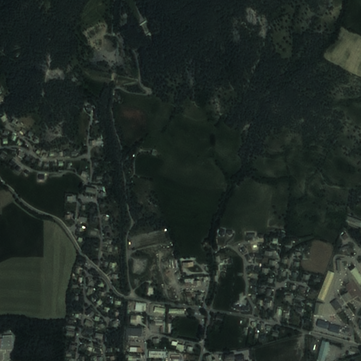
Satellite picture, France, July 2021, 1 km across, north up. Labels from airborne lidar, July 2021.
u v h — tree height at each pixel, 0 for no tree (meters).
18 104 7
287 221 12
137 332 0
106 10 7
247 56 11
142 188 0
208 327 8
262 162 0
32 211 9
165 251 0
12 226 0
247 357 0
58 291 0
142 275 0
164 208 0
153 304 0
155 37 18
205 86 8
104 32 0
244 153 14
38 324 27
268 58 12
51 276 0
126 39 23
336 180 0
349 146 0
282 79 12
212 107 0
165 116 0
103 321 8
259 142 9
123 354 10
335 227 0
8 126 0
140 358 0
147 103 0
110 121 8
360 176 0
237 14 10
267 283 8
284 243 16
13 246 0
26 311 0
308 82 11
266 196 0
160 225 8
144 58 20
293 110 9
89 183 8
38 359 13
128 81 0
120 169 9
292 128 6
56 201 0
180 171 0
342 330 0
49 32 8
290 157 0
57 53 10
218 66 13
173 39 12
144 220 9
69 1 12
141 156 0
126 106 0
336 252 0
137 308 0
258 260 0
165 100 8
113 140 9
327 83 8
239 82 7
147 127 0
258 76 9
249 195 0
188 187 0
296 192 0
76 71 8
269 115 7
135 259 0
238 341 0
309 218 6
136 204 6
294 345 0
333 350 0
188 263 0
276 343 0
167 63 17
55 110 8
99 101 12
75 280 10
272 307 0
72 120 12
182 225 0
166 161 0
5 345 0
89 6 0
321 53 6
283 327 9
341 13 7
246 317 0
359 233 8
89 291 0
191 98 11
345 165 0
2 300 0
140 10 8
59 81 12
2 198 0
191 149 0
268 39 6
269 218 0
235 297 0
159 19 17
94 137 12
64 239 0
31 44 9
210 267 10
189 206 0
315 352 0
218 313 9
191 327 0
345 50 0
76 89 12
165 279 0
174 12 9
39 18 9
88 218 6
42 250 0
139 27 14
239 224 0
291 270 10
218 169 0
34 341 18
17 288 0
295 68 9
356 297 0
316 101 7
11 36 14
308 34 10
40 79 7
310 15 0
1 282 0
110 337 16
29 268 0
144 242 0
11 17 8
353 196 14
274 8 12
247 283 0
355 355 11
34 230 0
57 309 0
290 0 11
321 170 9
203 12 13
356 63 0
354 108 0
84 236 7
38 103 7
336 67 7
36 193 0
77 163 0
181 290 0
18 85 9
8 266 0
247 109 11
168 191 0
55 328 23
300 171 0
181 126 0
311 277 8
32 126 0
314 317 0
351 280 0
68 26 12
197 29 16
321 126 7
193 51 12
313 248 0
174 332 14
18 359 20
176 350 10
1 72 7
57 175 0
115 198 10
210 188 0
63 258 0
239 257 0
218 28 13
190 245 0
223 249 10
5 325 23
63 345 15
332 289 0
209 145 0
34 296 0
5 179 0
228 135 0
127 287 8
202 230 0
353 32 8
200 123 0
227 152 0
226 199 11
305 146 6
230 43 9
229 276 0
